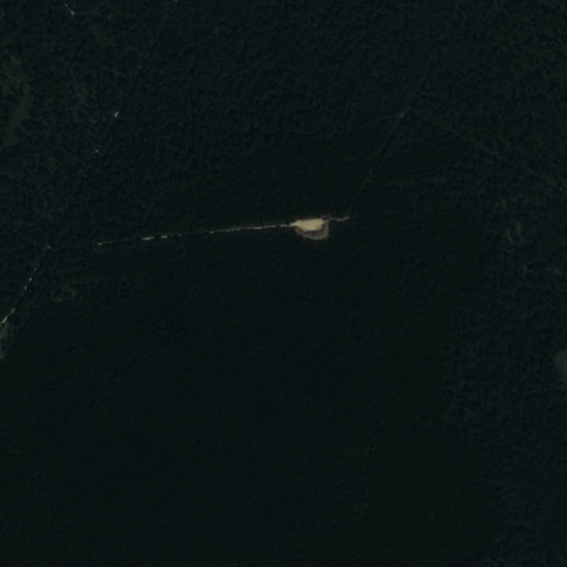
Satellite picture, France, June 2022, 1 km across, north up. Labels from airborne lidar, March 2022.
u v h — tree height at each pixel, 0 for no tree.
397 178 10
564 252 22
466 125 20
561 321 24
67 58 23
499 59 18
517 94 23
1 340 0
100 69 25
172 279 21
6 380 9
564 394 20
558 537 23
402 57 22
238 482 13
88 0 28
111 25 20
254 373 14
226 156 20
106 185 22
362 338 10
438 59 0
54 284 24
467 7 21
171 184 22
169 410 15
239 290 13
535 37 26
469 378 23
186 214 16
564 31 25
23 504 8
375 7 21
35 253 24
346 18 25
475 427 26
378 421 23
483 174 6
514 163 23
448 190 13
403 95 24
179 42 20
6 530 9
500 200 20
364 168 12
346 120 24
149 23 25
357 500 10
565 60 26
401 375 9
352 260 11
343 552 6
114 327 12
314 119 27
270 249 10
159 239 21
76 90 18
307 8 27
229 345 14
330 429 14
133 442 13
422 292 7
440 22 22
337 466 12
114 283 11
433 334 7
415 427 22
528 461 22
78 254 25
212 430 13
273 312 14
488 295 20
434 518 6
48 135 0
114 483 15
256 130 25
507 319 24
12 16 22
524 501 19
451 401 22
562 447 25
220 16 24
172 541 14
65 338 8
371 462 11
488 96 20
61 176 26
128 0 22
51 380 6
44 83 23
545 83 29
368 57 24
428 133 18
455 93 23
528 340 24
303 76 28
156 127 28
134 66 21
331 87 25
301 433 14
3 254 22
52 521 14
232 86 24
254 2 25
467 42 25
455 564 13
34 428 11
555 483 20
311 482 14
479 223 10
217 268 15
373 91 30
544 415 26
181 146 29
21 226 0
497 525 10
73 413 9
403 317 7
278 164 17
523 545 21
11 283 28
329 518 15
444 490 9
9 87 0
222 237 10
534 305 20
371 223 11
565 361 0
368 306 6
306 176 16
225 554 13
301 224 0
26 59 26
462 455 12
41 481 8
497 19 25
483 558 26
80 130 23
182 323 17
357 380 15
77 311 11
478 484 10
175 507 14
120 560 15
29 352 6
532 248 21
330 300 15
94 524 15
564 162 23
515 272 23
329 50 22
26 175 27
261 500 14
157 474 14
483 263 18
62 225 25
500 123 27
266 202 12
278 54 29
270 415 15
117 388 14
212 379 12
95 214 27
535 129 22
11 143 0
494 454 15
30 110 0
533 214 24
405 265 21
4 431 8
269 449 13
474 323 24
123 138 24
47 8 0
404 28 23
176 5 20
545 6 0
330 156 7
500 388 26
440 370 7
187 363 12
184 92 22
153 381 15
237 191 8
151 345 10
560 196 25
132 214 24
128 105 23
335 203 7
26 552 7
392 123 26
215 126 27
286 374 11
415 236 6
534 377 24
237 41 26
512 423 26
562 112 23
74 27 24
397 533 6
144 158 16
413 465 11
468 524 9
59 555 9
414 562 6
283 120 24
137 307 17
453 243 8
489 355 26
